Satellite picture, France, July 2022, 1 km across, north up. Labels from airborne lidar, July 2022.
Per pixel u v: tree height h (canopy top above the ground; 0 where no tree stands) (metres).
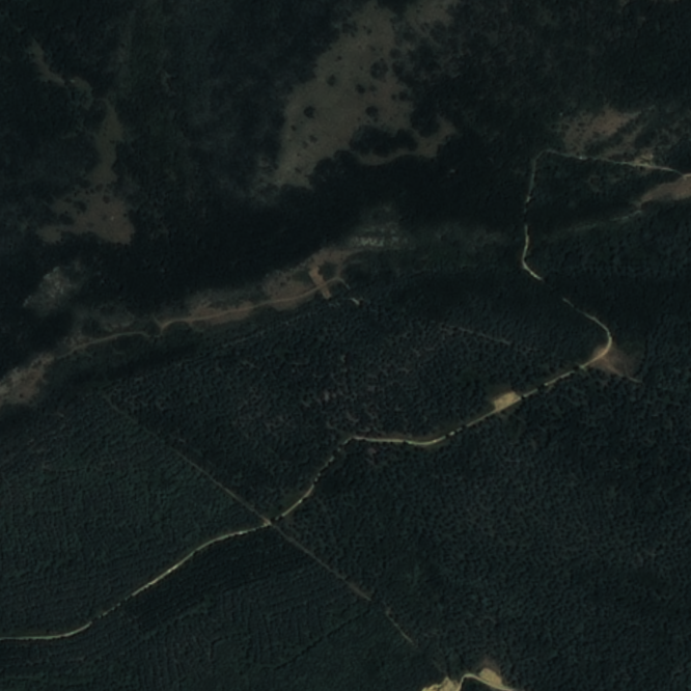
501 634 16
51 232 0
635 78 15
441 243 6
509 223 19
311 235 15
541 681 23
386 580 19
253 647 18
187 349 11
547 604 16
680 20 9
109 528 17
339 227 13
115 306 7
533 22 6
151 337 6
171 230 17
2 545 12
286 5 6
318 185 6
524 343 12
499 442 17
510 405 0
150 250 17
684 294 13
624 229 7
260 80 5
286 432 16
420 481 19
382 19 0
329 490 20
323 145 0
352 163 10
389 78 0
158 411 19
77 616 10
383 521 19
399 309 19
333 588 17
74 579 14
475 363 15
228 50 7
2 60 9
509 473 20
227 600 18
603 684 22
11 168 9
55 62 8
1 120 5
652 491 24
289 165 0
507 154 15
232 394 19
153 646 16
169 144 6
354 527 21
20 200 6
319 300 7
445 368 16
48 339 11
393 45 0
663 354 14
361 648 16
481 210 18
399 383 13
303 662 15
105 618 12
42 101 10
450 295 21
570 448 19
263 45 7
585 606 20
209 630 15
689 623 22
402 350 12
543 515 21
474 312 20
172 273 20
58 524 13
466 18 8
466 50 10
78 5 18
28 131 11
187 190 10
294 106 0
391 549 20
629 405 21
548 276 17
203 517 14
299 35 7
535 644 19
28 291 8
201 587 10
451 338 16
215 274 16
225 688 15
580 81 6
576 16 9
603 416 19
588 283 17
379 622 13
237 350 14
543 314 16
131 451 13
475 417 18
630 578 21
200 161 11
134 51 10
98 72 8
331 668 17
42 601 16
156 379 15
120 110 9
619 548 17
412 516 23
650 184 12
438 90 13
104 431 15
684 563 17
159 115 6
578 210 11
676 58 8
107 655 13
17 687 21
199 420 15
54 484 14
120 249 10
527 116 9
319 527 13
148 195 7
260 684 15
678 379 19
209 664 17
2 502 11
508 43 8
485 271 16
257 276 14
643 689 20
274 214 8
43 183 6
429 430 16
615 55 9
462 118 9
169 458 13
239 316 0
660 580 20
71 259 5
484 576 21
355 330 16
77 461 12
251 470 15
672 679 20
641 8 15
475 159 21
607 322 14
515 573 20
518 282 21
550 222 8
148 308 18
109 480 13
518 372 16
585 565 16
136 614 10
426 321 12
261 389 14
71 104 9
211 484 12
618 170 11
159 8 7
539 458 17
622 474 18
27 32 14
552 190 9
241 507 15
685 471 18
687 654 20
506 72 11
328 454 18
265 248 11
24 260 7
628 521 17
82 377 8
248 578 14
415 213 18
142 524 12
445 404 17
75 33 8
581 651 21
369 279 11
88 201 0
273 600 17
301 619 18
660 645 22
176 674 18
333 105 0
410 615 23
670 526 19
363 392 14
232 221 13
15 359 9
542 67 10
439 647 18
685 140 7
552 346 14
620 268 15
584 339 16
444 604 18
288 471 18
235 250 17
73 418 6
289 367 15
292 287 0
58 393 6
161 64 9
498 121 14
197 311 0
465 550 23
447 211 21
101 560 12
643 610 19
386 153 13
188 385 15
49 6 20
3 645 17
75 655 16
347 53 0
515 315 19
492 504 17
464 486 17
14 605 15
